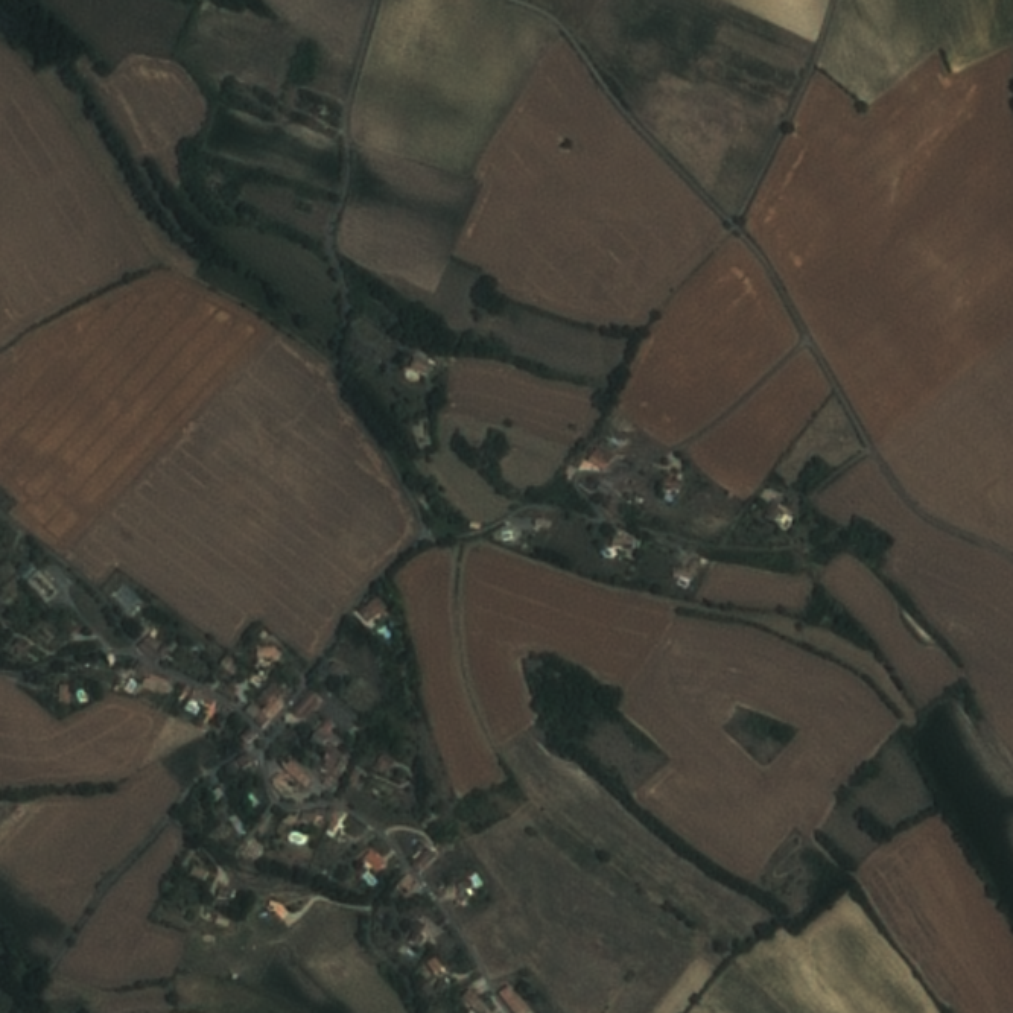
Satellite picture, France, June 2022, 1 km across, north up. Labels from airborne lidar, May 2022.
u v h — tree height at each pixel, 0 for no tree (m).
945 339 0
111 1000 0
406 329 13
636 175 0
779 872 0
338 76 0
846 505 0
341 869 9
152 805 0
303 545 0
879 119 0
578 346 0
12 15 20
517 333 0
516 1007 0
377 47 0
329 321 0
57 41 14
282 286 0
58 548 0
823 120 0
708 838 0
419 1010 13
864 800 0
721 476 0
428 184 0
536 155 0
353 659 0
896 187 0
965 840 12
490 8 0
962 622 0
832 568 0
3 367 0
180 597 0
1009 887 0
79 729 0
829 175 0
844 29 0
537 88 0
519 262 0
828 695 0
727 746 0
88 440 0
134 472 0
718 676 0
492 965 0
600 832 0
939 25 0
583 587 0
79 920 0
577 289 0
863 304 0
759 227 0
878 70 0
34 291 0
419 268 0
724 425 0
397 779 12
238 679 6
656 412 0
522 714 0
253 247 0
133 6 0
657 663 0
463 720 0
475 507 0
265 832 0
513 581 0
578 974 0
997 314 0
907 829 11
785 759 0
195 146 7
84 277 0
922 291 0
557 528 0
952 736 0
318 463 0
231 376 0
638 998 0
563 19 0
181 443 0
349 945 0
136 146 0
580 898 0
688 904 0
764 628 8
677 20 0
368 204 0
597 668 0
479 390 0
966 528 0
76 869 0
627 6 0
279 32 0
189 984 0
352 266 7
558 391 0
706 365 0
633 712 0
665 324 0
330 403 0
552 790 0
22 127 0
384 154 0
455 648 0
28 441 0
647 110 0
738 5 0
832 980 0
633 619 0
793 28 0
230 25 0
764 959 0
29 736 0
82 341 0
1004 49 0
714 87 0
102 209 0
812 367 0
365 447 0
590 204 0
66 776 0
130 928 0
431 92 0
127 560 0
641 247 0
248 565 0
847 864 12
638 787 0
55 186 0
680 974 0
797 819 0
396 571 12
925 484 0
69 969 0
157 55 0
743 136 0
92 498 0
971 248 0
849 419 0
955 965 0
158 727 0
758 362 0
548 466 0
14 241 0
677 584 0
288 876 12
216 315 0
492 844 0
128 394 0
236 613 0
